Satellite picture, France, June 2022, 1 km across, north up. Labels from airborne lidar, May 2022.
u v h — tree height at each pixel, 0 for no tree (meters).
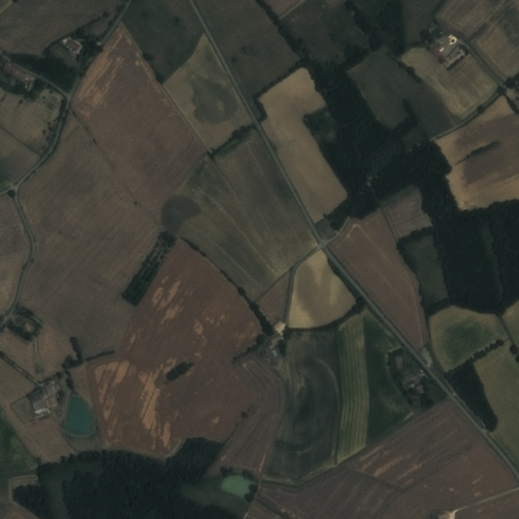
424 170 18
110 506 12
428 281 0
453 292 18
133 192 0
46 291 0
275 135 0
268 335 11
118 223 0
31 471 0
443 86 0
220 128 0
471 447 0
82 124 0
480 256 21
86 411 0
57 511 0
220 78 0
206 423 0
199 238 0
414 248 0
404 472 0
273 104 0
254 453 0
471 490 0
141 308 0
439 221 17
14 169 0
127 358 0
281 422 0
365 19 14
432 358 0
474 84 0
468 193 0
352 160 8
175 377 22
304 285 0
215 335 0
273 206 0
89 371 0
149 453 0
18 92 17
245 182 0
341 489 0
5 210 0
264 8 11
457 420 0
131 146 0
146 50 0
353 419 0
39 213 0
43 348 0
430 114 0
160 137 0
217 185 0
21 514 0
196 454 19
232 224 0
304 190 0
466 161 0
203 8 0
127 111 0
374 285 0
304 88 0
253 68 0
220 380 0
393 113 0
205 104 0
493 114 0
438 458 0
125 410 0
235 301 0
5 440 0
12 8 0
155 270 9
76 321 0
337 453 0
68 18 0
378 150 16
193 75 0
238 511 0
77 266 0
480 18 0
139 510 11
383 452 0
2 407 0
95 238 0
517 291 16
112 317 0
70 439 0
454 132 0
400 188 13
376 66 0
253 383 0
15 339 0
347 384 0
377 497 0
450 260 21
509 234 18
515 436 0
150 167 0
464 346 0
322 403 0
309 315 0
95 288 0
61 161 0
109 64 0
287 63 0
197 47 0
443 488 0
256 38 0
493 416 10
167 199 0
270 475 0
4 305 0
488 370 0
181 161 0
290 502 0
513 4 0
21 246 0
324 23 0
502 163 0
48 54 8
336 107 14
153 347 0
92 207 0
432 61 0
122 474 17
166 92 0
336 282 0
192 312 0
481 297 21
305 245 0
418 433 0
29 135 0
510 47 0
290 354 0
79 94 0
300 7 0
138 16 0
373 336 0
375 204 11
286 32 15
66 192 0
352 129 15
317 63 7
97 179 0
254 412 0
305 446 0
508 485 0
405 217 0
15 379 0
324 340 0
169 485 18
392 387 0
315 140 0
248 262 0
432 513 0
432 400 6
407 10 0
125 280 0
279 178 0
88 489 20
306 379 0
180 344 0
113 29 0
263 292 0
